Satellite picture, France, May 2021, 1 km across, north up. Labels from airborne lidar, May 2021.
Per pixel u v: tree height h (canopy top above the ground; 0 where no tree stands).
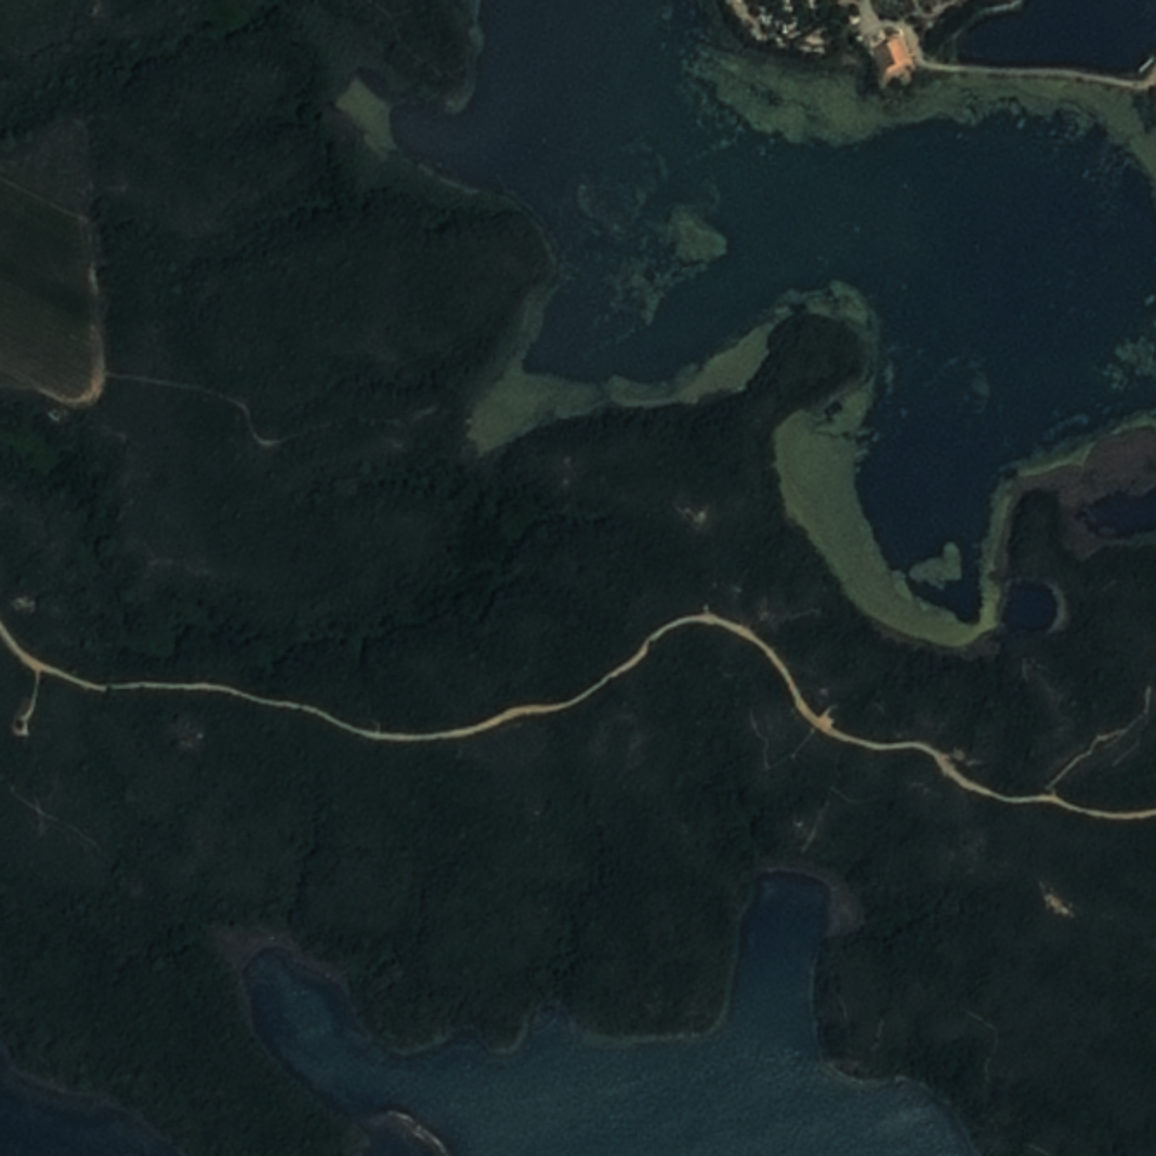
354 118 0
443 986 6
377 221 9
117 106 6
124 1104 6
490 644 10
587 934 8
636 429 8
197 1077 6
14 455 6
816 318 7
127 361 0
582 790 5
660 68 0
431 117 0
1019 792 6
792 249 0
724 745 8
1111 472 0
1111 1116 6
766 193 0
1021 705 8
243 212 10
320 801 8
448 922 6
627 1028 6
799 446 0
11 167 0
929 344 0
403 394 12
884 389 0
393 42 6
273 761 6
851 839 5
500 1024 7
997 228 0
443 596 14
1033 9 0
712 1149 0
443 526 11
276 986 0
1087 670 6
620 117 0
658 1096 0
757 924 0
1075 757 0
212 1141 7
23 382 0
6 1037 9
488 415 0
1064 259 0
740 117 0
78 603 6
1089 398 0
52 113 8
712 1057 0
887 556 0
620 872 6
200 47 10
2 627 0
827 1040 8
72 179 0
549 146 0
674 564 6
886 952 13
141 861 6
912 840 7
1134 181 0
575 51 0
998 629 0
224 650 13
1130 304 0
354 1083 0
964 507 0
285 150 10
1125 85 0
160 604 7
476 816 6
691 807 7
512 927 6
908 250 0
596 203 0
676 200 0
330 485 7
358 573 7
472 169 0
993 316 0
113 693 9
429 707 6
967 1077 8
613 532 9
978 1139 9
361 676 11
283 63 7
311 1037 0
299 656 17
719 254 0
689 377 0
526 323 0
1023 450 0
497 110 0
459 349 6
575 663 7
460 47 6
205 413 5
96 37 7
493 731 0
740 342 0
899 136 0
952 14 8
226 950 0
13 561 7
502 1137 0
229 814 6
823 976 7
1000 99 0
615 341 0
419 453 7
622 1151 0
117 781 7
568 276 0
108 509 7
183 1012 7
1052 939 0
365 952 11
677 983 6
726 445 6
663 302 0
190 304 7
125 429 0
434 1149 0
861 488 0
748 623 0
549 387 0
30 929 7
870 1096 0
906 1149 0
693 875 7
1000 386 0
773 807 6
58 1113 0
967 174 0
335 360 8
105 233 10
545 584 11
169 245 7
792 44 6
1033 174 0
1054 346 0
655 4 0
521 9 0
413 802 6
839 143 0
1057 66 0
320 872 6
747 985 0
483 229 6
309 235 8
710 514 0
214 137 8
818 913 0
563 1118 0
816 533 0
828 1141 0
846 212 0
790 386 6
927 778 0
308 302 6
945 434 0
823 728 0
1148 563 7
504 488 7
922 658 8
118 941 7
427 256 6
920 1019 7
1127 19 0
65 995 5
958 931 6
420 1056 0
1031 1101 6
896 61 0
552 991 9
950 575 0
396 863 6
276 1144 6
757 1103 0
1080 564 6
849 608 6
